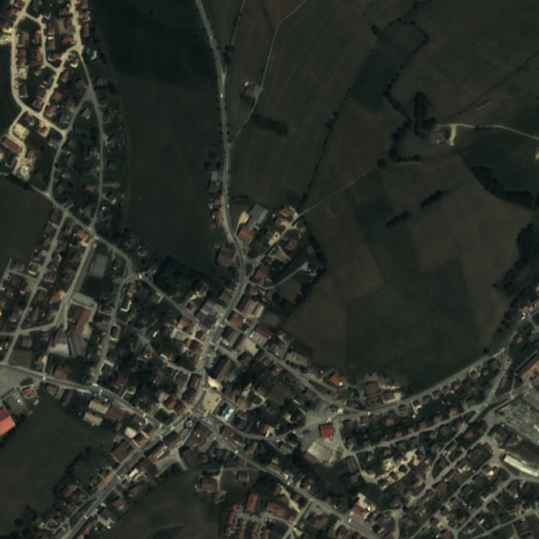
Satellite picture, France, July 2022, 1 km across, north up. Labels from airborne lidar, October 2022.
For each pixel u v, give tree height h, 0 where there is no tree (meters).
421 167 0
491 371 8
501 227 0
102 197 0
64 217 0
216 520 0
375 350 0
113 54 0
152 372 9
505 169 0
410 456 0
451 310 0
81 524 0
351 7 0
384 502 0
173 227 0
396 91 0
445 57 0
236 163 0
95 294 0
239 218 0
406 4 0
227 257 0
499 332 9
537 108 0
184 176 0
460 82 0
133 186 0
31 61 0
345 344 0
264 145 0
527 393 0
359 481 8
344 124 0
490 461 0
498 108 0
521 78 0
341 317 0
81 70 0
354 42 0
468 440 9
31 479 0
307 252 0
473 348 0
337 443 0
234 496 0
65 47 0
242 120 0
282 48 0
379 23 0
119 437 0
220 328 0
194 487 0
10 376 0
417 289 0
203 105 0
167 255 0
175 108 0
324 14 0
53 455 0
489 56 0
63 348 0
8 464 0
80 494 0
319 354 0
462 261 0
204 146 0
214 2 0
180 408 0
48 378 0
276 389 0
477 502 0
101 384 10
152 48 0
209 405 0
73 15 0
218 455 0
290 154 0
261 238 8
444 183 0
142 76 0
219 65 0
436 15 0
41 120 0
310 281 7
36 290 0
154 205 0
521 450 0
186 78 0
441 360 0
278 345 0
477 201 0
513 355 0
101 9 0
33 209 0
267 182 0
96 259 0
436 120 13
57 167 15
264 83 0
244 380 10
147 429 0
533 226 9
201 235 0
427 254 0
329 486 0
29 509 10
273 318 0
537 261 0
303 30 0
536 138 0
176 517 0
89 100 0
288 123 0
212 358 0
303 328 0
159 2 0
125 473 0
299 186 0
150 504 0
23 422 10
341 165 0
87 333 0
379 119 0
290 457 10
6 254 0
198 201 0
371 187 0
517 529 0
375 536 0
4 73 0
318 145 0
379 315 0
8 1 0
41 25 0
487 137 0
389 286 0
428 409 0
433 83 0
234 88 0
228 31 0
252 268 0
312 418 0
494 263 0
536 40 0
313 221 0
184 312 0
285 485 9
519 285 0
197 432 0
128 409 0
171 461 0
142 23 0
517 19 0
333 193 0
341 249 0
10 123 0
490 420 0
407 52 0
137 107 0
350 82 0
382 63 0
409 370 0
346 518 0
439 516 0
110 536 0
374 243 0
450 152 0
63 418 0
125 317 0
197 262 0
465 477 0
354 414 0
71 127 0
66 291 0
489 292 0
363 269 0
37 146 0
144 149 0
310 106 0
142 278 0
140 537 0
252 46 0
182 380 0
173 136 0
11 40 0
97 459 0
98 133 19
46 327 0
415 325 0
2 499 0
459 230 0
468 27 0
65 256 16
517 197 21
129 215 0
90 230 0
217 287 9
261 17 0
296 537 0
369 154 0
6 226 0
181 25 0
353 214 0
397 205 0
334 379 0
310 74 0
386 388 0
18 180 21
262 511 0
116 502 0
